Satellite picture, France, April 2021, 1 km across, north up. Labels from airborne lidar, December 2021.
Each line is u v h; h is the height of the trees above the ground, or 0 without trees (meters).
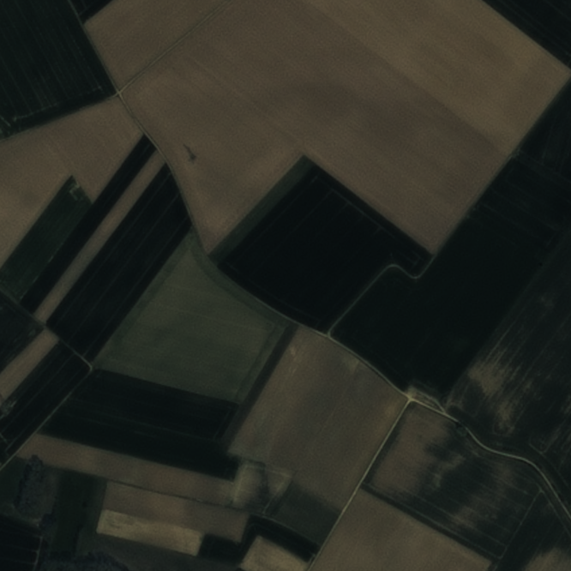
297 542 0
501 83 0
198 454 0
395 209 0
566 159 0
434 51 0
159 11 0
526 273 0
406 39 0
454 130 0
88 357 0
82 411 0
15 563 0
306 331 0
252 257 0
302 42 0
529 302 0
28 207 0
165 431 0
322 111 0
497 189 0
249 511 0
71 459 0
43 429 0
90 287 0
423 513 0
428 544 0
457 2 0
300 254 0
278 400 0
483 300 0
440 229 0
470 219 0
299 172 0
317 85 0
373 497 0
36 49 0
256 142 0
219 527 0
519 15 0
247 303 0
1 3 0
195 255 0
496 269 0
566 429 0
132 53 0
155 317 0
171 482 0
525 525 0
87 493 0
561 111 0
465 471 0
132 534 0
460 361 0
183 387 0
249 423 0
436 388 0
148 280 0
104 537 0
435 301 0
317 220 0
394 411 0
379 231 0
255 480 0
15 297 0
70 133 0
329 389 0
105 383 0
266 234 0
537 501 0
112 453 0
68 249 0
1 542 0
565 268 0
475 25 0
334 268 0
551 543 0
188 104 0
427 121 0
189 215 0
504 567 0
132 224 0
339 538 0
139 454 0
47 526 22
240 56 0
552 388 0
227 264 0
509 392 0
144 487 0
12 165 0
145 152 0
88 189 0
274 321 0
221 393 0
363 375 0
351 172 0
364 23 0
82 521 0
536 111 0
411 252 0
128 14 0
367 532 0
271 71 0
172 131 0
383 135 0
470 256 0
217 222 0
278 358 0
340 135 0
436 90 0
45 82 0
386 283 0
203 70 0
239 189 0
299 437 0
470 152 0
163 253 0
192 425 0
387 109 0
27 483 14
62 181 0
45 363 0
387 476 0
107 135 0
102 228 0
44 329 0
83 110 0
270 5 0
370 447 0
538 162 0
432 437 0
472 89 0
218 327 0
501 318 0
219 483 0
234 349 0
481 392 0
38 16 0
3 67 0
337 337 0
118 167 0
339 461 0
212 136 0
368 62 0
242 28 0
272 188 0
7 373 0
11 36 0
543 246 0
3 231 0
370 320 0
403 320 0
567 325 0
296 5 0
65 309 0
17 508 16
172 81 0
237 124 0
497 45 0
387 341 0
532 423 0
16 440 0
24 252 0
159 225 0
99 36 0
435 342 0
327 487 0
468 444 0
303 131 0
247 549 0
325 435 0
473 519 0
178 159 0
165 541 0
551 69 0
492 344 0
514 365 0
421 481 0
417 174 0
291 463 0
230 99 0
